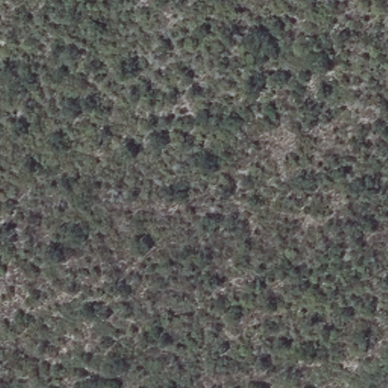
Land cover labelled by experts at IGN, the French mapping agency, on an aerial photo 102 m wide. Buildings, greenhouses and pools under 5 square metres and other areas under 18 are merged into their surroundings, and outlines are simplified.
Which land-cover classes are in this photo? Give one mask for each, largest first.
<instances>
[{"label":"brushwood","instance_id":"1","mask_svg":"<svg viewBox=\"0 0 388 388\"><path fill-rule=\"evenodd\" d=\"M0 388H388V0H0Z\"/></svg>","mask_w":388,"mask_h":388}]
</instances>
